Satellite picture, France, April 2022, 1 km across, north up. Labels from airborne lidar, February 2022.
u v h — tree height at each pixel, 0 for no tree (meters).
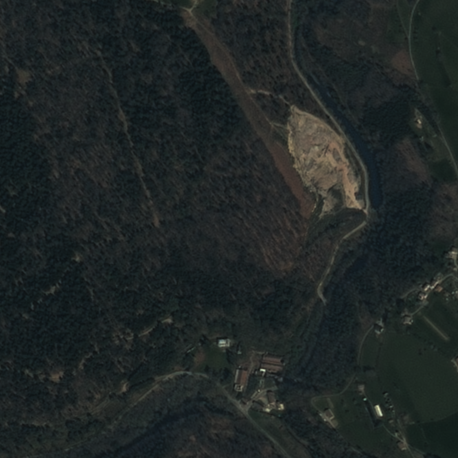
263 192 34
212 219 29
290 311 33
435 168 0
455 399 0
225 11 24
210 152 22
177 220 25
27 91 8
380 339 0
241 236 30
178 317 33
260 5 14
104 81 19
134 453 22
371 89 29
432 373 0
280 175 22
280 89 8
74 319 17
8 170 23
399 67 0
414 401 0
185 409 20
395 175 29
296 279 32
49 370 19
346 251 18
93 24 25
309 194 0
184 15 0
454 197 0
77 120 26
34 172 23
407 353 0
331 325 23
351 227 23
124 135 7
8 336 18
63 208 28
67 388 28
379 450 0
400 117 22
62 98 28
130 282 24
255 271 24
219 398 9
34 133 16
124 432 25
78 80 27
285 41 36
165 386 21
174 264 28
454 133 0
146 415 22
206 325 27
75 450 22
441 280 0
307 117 0
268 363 0
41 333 33
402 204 22
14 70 27
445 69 0
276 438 0
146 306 10
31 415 21
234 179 31
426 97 19
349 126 0
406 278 22
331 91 10
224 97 26
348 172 0
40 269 22
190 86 22
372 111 21
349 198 0
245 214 32
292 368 11
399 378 0
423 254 26
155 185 24
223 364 0
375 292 25
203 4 0
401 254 31
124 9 25
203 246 23
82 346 29
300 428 16
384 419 0
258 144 20
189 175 23
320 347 20
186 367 19
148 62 30
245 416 0
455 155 0
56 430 22
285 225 32
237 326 24
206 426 27
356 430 0
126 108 6
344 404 10
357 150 12
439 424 0
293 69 22
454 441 0
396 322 0
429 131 0
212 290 29
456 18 0
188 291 20
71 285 20
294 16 20
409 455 0
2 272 17
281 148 0
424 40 0
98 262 18
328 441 17
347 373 20
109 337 12
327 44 0
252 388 6
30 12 26
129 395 25
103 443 30
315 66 14
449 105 0
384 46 0
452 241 0
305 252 34
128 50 25
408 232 25
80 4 21
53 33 26
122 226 30
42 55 16
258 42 7
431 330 0
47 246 13
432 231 28
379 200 0
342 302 19
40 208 26
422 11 0
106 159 25
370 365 0
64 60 31
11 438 39
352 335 26
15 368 6
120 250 22
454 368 0
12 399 27
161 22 16
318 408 0
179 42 24
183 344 21
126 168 26
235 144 29
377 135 16
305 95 16
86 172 15
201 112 23
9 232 14
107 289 24
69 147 29
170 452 22
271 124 0
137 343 27
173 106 29
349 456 20
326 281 22
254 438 0
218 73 13
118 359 27
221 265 22
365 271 24
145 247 19
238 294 26
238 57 30
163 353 22
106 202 27
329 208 0
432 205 22
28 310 16
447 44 0
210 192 27
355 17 27
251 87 28
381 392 0
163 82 34
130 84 41
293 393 16
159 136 26
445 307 0
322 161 0
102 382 22
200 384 13
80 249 21
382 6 31
